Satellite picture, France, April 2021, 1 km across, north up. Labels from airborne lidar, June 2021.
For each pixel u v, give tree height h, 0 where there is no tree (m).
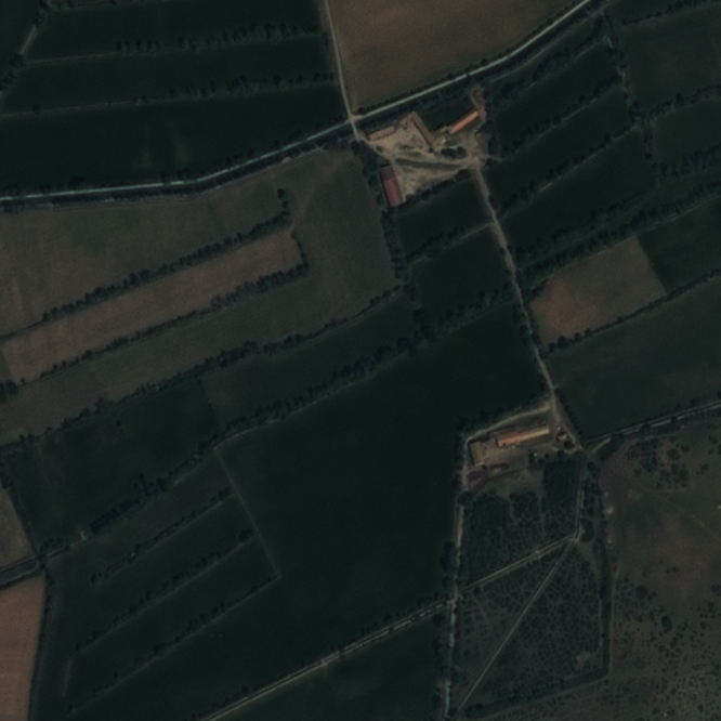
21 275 0
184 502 0
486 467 7
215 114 0
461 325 10
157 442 0
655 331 0
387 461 0
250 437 0
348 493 0
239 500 0
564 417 0
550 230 0
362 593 0
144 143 0
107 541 0
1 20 0
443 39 0
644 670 0
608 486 0
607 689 0
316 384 0
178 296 0
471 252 0
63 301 0
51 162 0
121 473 0
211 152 0
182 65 0
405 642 0
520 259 16
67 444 0
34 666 0
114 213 0
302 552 0
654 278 0
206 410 0
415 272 0
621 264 0
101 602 0
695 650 0
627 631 0
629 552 0
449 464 0
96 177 0
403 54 0
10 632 0
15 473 0
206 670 0
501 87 0
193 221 0
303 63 0
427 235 0
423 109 14
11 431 0
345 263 0
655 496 0
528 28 0
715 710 0
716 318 0
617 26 14
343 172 0
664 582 0
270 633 0
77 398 0
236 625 0
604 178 0
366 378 22
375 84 0
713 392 0
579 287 0
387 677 0
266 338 0
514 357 0
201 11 0
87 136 0
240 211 0
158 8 0
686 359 0
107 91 0
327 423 0
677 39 0
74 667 0
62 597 0
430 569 0
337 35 0
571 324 0
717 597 0
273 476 0
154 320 0
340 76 0
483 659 0
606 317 0
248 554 0
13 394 17
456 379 0
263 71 0
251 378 0
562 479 8
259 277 0
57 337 0
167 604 0
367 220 0
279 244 0
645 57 0
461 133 0
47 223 0
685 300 0
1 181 0
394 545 0
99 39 0
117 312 0
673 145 0
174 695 0
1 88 17
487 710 9
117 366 0
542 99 0
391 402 0
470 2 0
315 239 0
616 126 0
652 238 0
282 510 0
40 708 0
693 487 0
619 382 0
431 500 0
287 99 0
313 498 0
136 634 0
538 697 11
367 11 0
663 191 0
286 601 0
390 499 0
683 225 0
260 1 0
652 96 0
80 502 0
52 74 0
